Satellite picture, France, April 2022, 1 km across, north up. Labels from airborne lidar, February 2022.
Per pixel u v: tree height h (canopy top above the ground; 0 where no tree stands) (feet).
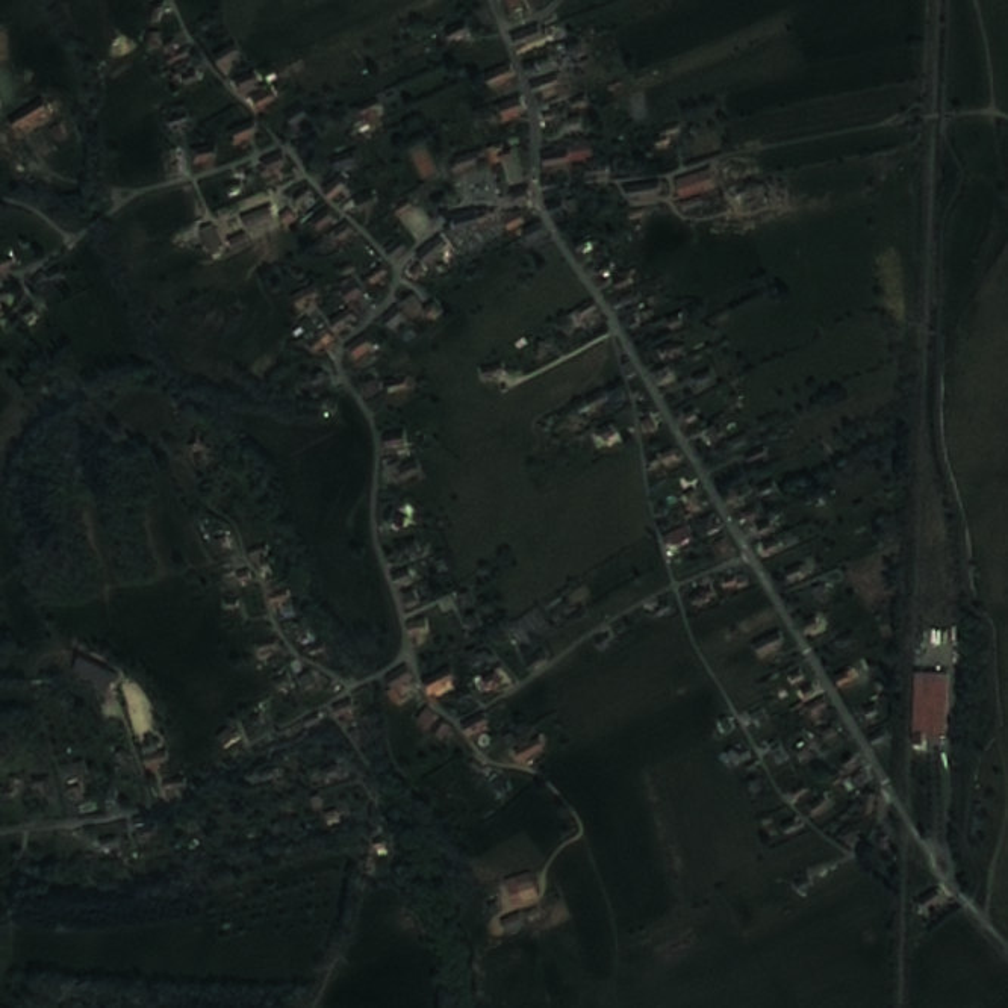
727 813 0
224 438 51
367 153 0
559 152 0
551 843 0
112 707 0
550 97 0
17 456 66
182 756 0
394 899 0
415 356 0
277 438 0
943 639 0
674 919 0
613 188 22
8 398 0
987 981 0
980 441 0
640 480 0
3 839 0
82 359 0
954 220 0
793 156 0
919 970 0
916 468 0
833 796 0
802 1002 0
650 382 0
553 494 0
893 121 0
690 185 0
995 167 0
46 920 70
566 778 0
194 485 0
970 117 0
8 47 0
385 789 65
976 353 0
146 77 0
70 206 67
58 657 0
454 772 0
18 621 0
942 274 0
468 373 0
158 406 0
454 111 0
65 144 0
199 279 0
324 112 58
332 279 0
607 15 0
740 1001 0
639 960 0
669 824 0
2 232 0
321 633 54
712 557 29
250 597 0
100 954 0
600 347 0
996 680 0
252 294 0
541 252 0
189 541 0
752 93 0
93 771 47
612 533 0
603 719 0
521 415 0
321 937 0
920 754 0
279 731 30
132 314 47
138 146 0
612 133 0
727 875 0
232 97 0
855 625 0
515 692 0
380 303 0
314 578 64
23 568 59
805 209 0
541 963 0
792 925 0
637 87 0
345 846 47
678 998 0
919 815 0
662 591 0
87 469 78
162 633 0
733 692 0
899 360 31
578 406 24
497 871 0
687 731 0
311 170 45
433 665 30
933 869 0
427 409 0
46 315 0
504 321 0
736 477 48
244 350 0
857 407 0
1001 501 0
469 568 0
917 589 0
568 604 30
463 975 77
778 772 0
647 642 0
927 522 0
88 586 69
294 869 0
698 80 0
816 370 0
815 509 0
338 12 0
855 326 0
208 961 0
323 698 0
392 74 0
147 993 67
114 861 20
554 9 0
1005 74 0
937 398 0
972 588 0
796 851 0
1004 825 0
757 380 0
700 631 0
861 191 0
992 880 0
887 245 0
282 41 0
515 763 0
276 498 46
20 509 61
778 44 0
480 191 0
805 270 0
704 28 0
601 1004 0
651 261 0
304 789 37
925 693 0
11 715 61
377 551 0
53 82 0
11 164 0
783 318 0
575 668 0
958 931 0
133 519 64
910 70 0
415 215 0
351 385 0
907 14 0
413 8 0
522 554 0
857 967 0
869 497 0
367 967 0
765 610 0
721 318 0
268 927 0
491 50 0
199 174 0
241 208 0
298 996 48
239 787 19
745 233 0
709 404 0
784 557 0
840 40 0
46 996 62
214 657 0
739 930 0
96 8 0
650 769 0
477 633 21
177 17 0
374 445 0
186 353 0
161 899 75
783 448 0
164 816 52
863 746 0
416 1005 0
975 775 0
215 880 67
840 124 0
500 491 0
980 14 0
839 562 0
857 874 0
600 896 0
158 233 0
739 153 0
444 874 57
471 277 22
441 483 0
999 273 0
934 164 0
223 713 0
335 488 0
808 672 0
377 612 0
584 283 0
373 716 46
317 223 0
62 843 0
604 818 0
